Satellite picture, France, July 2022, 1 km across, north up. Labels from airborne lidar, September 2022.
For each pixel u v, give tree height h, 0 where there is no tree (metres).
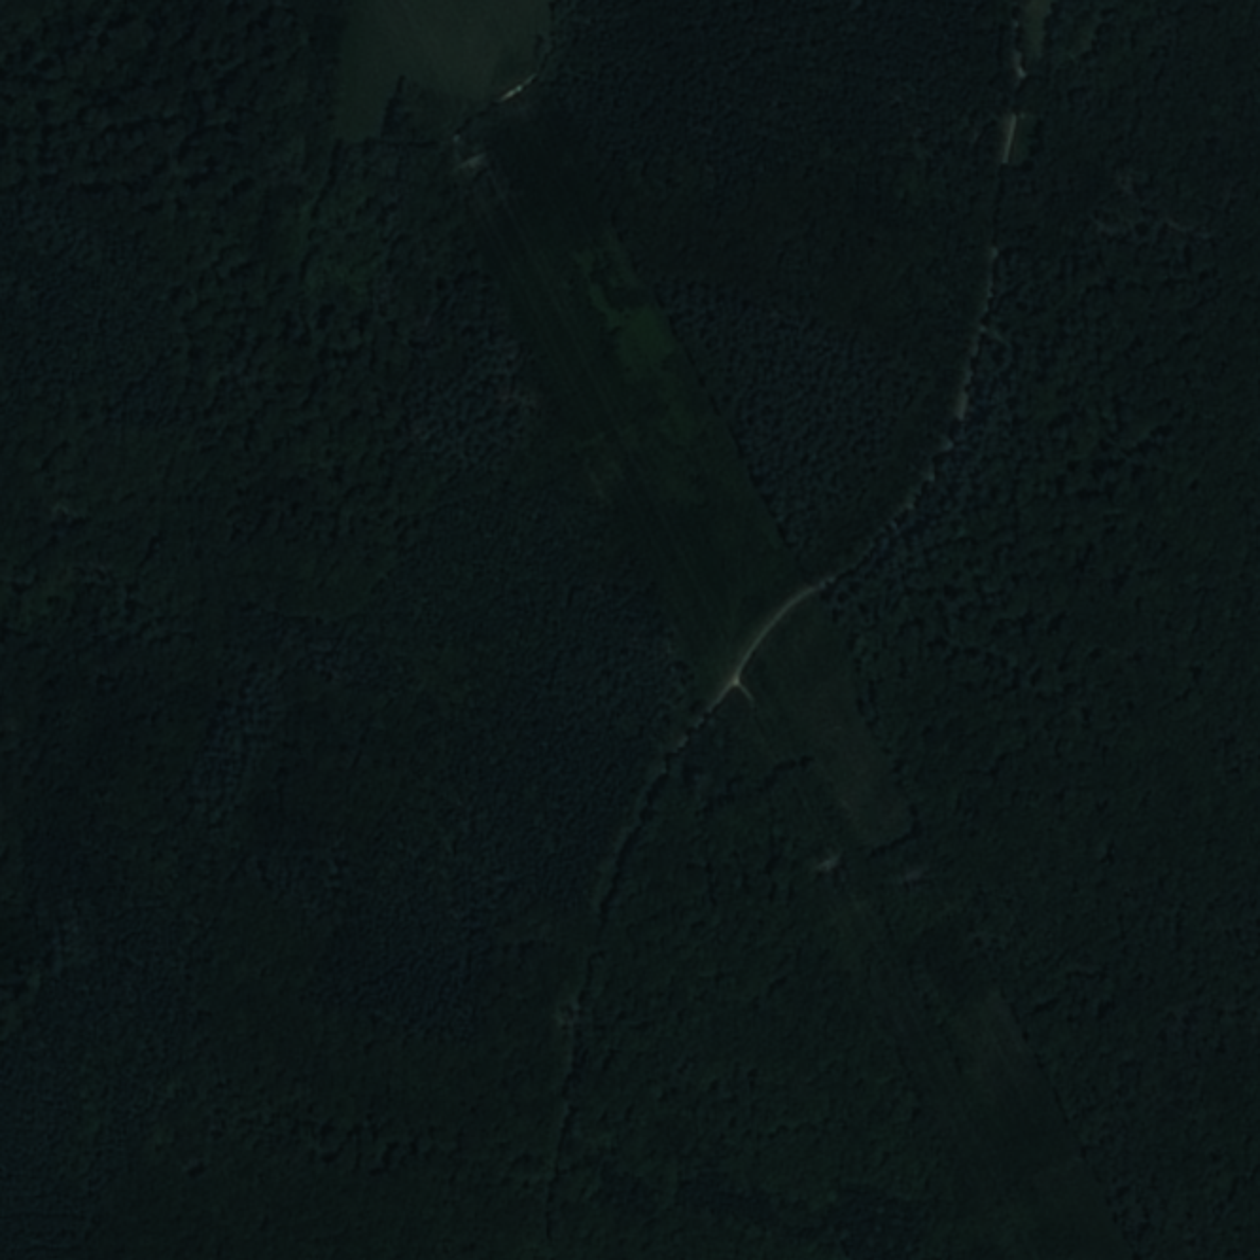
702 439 7
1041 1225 6
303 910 33
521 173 12
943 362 16
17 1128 17
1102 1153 14
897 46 19
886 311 16
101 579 26
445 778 21
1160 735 16
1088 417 26
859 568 11
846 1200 13
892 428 22
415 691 20
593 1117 19
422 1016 23
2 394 24
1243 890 19
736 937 25
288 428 22
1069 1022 21
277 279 8
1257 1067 20
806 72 14
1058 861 17
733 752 11
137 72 10
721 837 21
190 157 29
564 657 27
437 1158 27
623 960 18
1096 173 16
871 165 14
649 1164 17
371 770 26
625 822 22
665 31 20
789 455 31
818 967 20
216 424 15
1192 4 18
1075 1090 18
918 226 16
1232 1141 22
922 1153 19
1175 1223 15
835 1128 21
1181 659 22
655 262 18
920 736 21
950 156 21
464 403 35
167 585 23
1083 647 22
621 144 22
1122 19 18
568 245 8
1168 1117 17
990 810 22
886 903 15
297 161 19
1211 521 21
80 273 24
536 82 9
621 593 23
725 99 17
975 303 12
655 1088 24
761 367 26
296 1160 27
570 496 23
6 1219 15
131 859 18
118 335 20
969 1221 12
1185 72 17
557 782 24
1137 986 21
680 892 19
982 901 17
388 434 21
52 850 22
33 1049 18
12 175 25
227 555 31
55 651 21
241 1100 16
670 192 15
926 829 20
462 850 15
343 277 16
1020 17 17
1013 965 16
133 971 22
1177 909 17
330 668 22
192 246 21
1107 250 23
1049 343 19
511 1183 21
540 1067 23
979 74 16
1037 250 12
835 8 18
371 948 24
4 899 15
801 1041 20
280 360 16
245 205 24
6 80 27
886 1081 17
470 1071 26
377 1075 25
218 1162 22
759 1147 16
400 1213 27
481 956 20
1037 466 16
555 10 11
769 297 19
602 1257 14
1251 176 19
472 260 21
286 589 24
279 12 27
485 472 19
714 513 8
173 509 24
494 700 19
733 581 6
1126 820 20
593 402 9
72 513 26
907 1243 17
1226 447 20
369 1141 25
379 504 19
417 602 23
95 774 23
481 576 22
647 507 7
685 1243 19
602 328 7
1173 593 17
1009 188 24
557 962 25
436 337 21
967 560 8
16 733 25
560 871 22
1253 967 17
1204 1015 21
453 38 0
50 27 17
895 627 18
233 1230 27
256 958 29
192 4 18
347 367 15
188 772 19
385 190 16
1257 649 22
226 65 24
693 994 16
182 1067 14
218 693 22
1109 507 26
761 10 17
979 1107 8
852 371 21
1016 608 22
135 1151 17
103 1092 11
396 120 18
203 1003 19
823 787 18
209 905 20
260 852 22
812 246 25
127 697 23
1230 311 20
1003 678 22
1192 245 24
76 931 30
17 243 20
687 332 19
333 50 16
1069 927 20
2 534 27
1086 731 20
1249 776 18
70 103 26
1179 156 18
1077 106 25
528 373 21
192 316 24
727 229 19
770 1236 18
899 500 13
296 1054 29
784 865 24
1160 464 21
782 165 18
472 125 13
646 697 23
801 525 21
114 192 27
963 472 31
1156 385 25
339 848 22
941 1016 15
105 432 28
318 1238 24
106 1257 21
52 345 23
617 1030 23
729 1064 17
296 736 24
